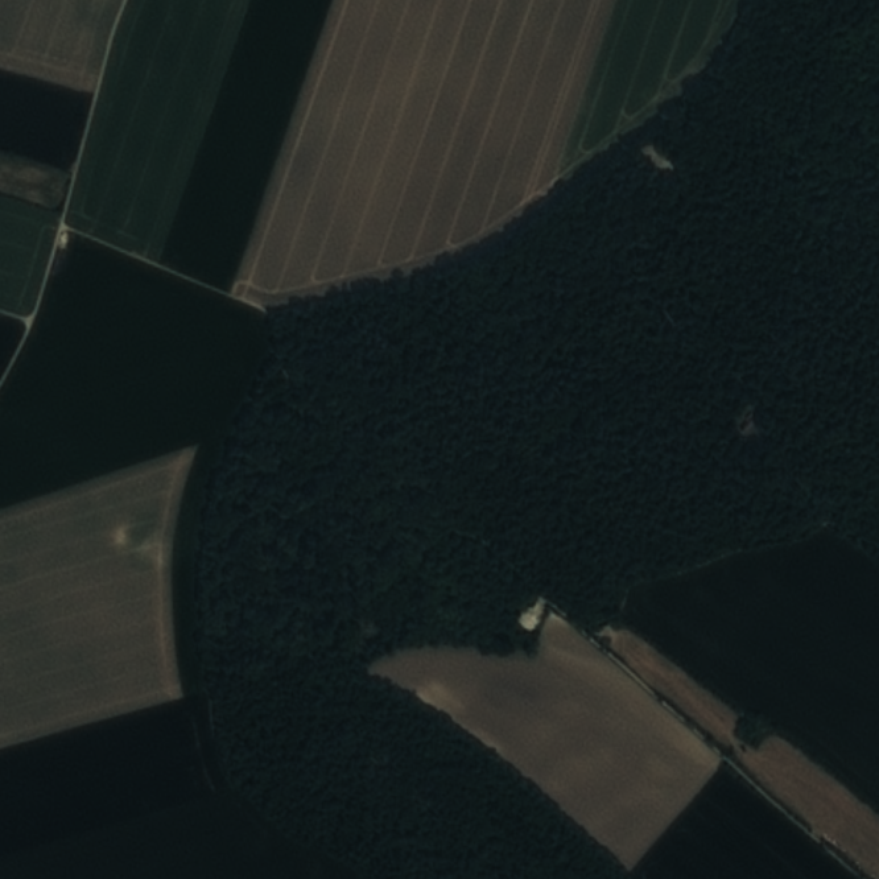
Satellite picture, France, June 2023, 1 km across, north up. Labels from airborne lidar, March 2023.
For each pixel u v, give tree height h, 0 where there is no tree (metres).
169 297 0
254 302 0
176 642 0
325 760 10
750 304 19
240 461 18
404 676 0
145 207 0
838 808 0
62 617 0
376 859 17
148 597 0
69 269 0
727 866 0
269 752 15
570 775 0
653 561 11
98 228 0
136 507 0
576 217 24
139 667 0
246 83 0
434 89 0
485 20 0
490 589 21
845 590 0
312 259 0
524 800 14
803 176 26
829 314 19
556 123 0
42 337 0
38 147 0
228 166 0
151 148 0
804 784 0
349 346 18
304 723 6
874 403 13
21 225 0
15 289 0
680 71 0
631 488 18
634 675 0
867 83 20
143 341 0
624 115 0
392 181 0
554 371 10
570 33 0
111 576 0
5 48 0
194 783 0
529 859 17
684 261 8
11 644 0
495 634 16
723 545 12
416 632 23
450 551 14
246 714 7
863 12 18
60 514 0
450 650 0
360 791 13
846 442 17
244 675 10
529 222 18
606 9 0
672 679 0
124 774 0
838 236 24
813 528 11
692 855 0
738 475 11
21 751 0
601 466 16
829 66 23
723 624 0
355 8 0
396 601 12
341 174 0
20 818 0
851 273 9
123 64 0
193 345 0
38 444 0
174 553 0
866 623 0
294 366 22
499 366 20
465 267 22
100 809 0
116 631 0
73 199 0
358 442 19
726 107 23
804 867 0
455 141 0
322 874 0
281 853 0
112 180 0
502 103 0
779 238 17
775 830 0
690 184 14
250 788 15
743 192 15
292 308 9
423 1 0
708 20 0
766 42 20
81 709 0
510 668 0
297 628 28
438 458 15
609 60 0
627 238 20
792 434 17
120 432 0
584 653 0
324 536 24
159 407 0
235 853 0
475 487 17
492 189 0
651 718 0
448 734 14
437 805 14
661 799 0
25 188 0
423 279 13
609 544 15
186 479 0
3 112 0
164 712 0
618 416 11
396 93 0
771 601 0
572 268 24
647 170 19
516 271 25
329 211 0
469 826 15
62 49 0
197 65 0
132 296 0
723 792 0
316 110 0
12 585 0
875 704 0
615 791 0
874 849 0
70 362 0
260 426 17
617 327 14
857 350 11
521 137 0
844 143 27
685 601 0
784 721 0
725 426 20
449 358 8
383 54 0
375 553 19
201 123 0
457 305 24
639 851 0
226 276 0
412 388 17
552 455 16
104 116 0
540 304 22
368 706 8
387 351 15
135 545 0
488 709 0
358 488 18
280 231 0
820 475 14
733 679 0
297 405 6
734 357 13
